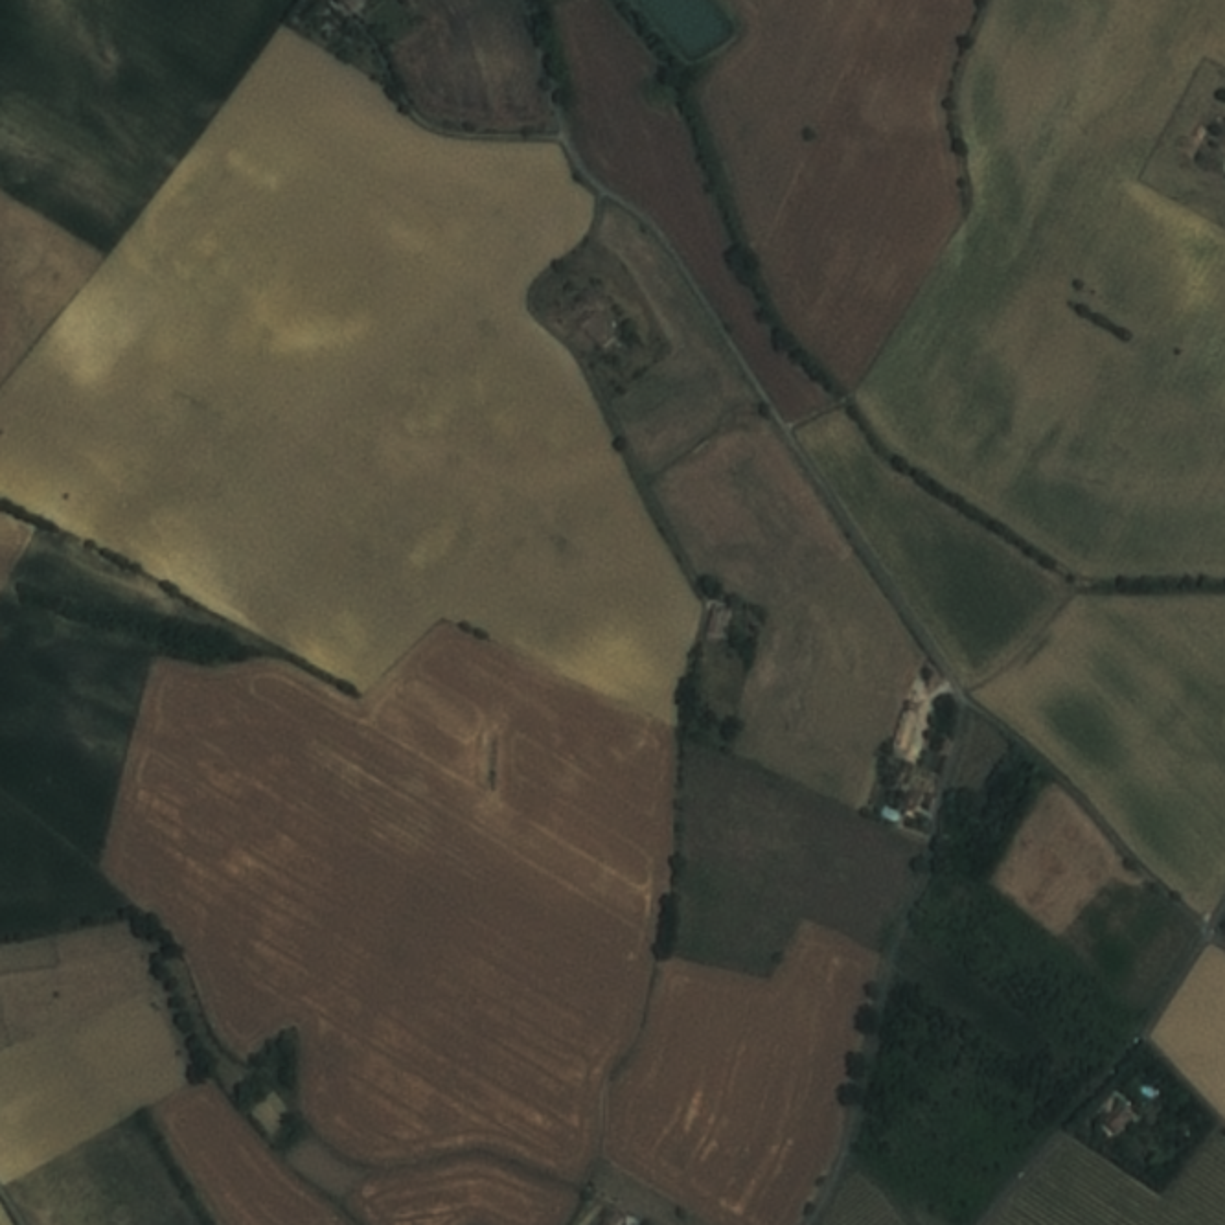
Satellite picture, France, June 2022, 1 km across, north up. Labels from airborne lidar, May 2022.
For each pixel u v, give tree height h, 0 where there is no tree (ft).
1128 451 0
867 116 0
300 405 0
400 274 0
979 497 0
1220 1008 0
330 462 0
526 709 0
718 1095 0
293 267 0
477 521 0
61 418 0
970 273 0
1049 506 0
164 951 46
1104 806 0
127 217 0
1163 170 0
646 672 0
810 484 0
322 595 0
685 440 0
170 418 0
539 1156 0
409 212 0
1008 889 0
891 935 0
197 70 0
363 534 0
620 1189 0
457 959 0
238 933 0
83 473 0
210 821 0
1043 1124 26
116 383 0
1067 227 0
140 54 0
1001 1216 0
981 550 0
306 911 0
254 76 0
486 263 0
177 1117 0
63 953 0
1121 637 0
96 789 0
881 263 0
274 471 0
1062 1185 0
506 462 0
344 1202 0
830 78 0
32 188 0
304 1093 0
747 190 0
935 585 0
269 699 0
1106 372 0
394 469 0
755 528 0
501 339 0
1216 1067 0
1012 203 0
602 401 0
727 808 0
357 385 0
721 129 0
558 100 41
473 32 0
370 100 0
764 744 0
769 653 0
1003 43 0
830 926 0
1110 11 0
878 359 0
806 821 0
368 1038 0
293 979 0
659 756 0
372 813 0
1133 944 0
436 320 0
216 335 0
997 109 0
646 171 0
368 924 0
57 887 0
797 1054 0
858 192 0
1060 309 0
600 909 0
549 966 0
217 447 0
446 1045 0
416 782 0
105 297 0
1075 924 0
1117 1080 41
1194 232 0
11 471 0
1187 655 0
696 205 0
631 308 0
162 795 0
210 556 0
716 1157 0
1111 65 0
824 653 0
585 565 0
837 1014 0
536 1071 0
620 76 0
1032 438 0
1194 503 0
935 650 0
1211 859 0
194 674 0
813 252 0
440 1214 0
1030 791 39
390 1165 0
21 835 0
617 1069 0
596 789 0
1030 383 0
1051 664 0
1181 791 0
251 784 0
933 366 0
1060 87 0
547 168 0
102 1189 0
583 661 0
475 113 0
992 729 0
